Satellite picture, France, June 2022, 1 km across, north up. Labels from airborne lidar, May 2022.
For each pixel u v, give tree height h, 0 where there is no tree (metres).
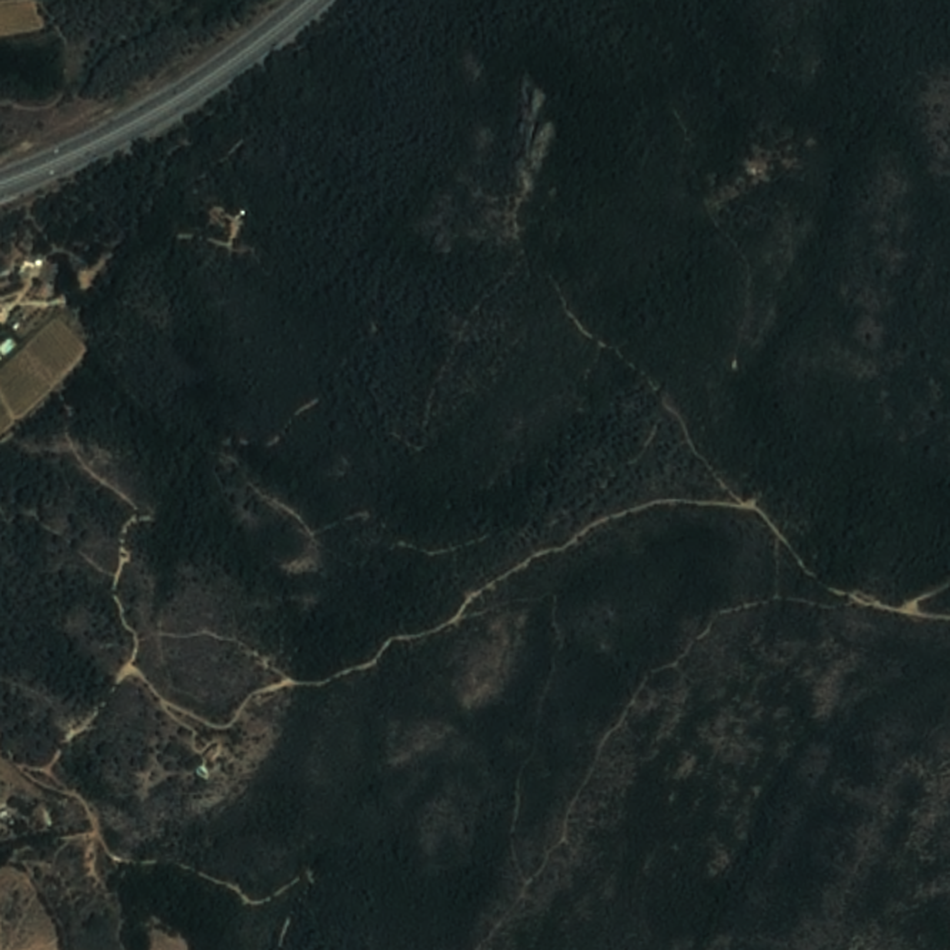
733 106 11
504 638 0
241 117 15
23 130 0
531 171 7
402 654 6
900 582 7
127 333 14
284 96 8
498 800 6
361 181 15
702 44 15
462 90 6
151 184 20
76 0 10
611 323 11
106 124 0
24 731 12
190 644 0
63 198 10
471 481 8
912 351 7
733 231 7
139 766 10
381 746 5
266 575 9
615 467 6
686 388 6
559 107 21
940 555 8
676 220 6
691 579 6
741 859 9
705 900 7
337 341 7
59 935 7
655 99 12
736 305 8
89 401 7
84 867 0
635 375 8
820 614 7
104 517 12
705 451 5
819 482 8
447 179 7
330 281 8
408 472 9
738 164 10
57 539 11
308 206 9
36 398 0
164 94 0
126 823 0
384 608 9
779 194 7
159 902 14
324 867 10
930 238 7
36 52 6
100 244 13
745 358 6
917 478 7
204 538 18
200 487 15
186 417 17
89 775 8
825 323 7
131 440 7
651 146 8
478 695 0
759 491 7
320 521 6
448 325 7
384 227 19
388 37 18
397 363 18
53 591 17
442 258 15
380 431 6
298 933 7
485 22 20
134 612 9
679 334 7
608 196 10
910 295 7
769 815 8
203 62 0
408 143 20
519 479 13
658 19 16
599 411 9
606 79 21
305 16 0
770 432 11
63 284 17
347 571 7
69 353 0
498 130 7
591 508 12
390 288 14
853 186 12
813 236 9
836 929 0
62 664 22
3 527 12
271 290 10
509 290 10
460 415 7
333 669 7
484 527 15
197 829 7
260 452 15
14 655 18
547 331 8
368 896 14
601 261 7
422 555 7
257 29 0
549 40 20
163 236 15
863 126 10
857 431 7
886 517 9
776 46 8
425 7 20
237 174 9
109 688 15
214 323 6
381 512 7
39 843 9
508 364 8
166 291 9
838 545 9
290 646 7
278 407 5
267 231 8
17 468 20
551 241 10
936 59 8
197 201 9
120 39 10
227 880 7
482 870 7
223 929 7
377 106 8
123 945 6
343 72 8
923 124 6
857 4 13
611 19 16
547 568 7
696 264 10
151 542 13
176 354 9
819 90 10
